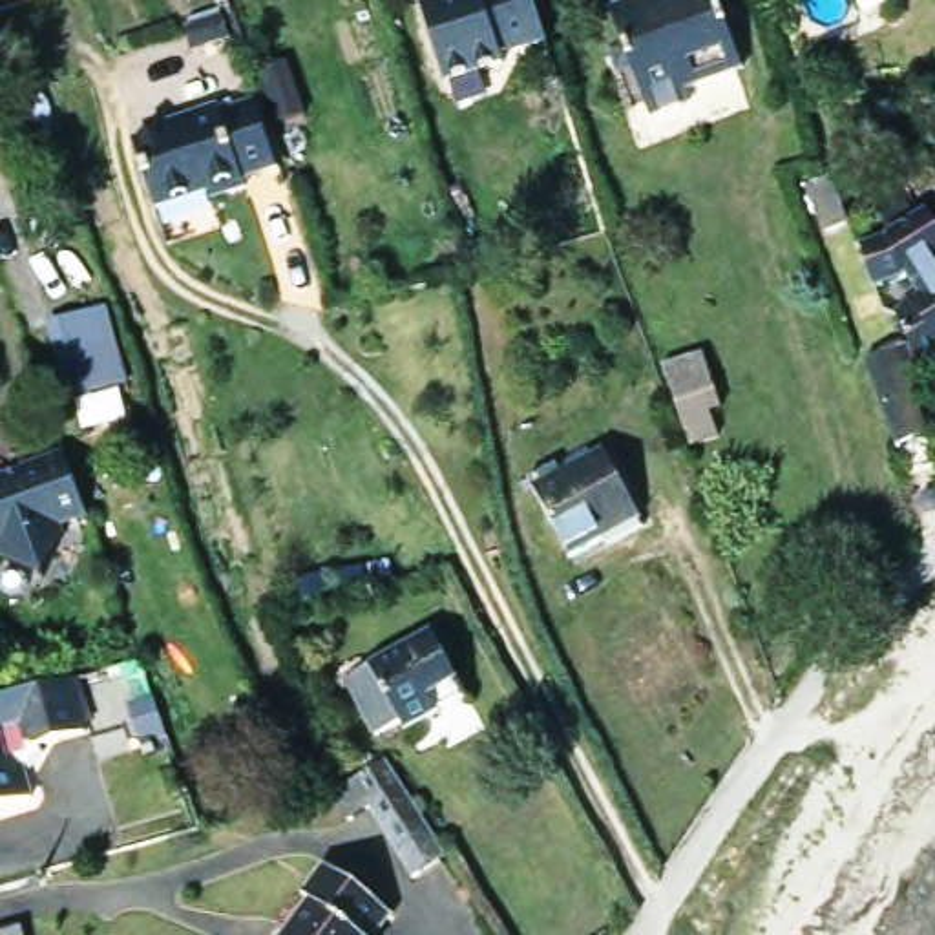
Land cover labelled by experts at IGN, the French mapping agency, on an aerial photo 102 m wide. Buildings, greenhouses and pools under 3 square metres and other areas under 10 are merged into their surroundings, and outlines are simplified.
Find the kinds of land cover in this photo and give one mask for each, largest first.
<instances>
[{"label":"herbaceous vegetation","instance_id":"1","mask_svg":"<svg viewBox=\"0 0 935 935\"><path fill-rule=\"evenodd\" d=\"M205 4H234L241 22L259 26L263 11L278 7L281 44L292 51L310 88L303 131V164H310L321 175V190L340 234V263L351 274V285H362L373 274V267L362 259L369 248L358 234L362 208L383 212L387 241L402 256V263H424L457 248L460 230L453 226V208H460L464 215H500L519 179L544 168L559 153H573L581 179V208L592 215L595 226H606V212L588 164V146L566 102L562 80L552 77L544 80V88L533 91L515 69L504 91L493 95L471 110H457L442 95L435 99L438 124L453 168L471 183V197L464 190L446 186L435 172L427 128L409 84V66L398 47V29H413V0H0V47L15 37L29 40L37 73L51 84L33 102L37 117L22 124V135L29 139V146L47 150L55 157L51 183L55 194L69 201H95L99 190H106L110 183L102 110L84 66L69 55V47L77 40H88L99 51L117 47L121 55H128L131 47L179 40L175 26L183 18L190 22L194 7ZM738 55L734 69L745 91V110L723 121H705L672 139L639 146L628 124V110L617 99L614 73L603 66V55H610L617 66H632V55L621 51L625 29L610 18L603 26V40L581 47L588 69V106L599 121L606 157L628 194V205H639L654 194H672L690 212L694 226L690 252L676 259L665 274L636 270L628 278L636 289V307L646 318L650 332L657 336V343H668L672 351L679 347V354L701 351L709 380L716 387V442H694L690 453L709 460L723 457L734 464H763L767 489H778L774 508L789 519L811 511L833 489L880 493L891 482V464L884 453L888 442V416L877 402V387L869 380L866 362L844 340H822V332L814 329V314L829 307V299L822 289L807 285L811 252L807 241L782 215V186L774 179V161L800 150V131L793 106L771 110L760 99L771 77L767 58L752 47V18L745 0H720ZM869 77H898L909 69L913 58L935 51V0H884L880 29L862 33L855 40ZM215 219L208 234H197L168 248L172 259L205 285H215L252 303L259 299V278L274 270L270 248L256 205L234 194H208ZM62 267H66V274H69V278H73V281L80 285V292H84V296H95V292H102V278H99V274H88V270H84V263L77 259V256H73V252H62ZM37 332L15 296V285L0 274V365L7 362V373L15 376L22 373L26 358L22 340ZM321 325L416 420L471 530L497 533L500 555L493 570L500 588L511 595L519 617L526 621L533 614V599L515 555L500 497L497 457L486 431L482 387L471 380L464 362V332L449 303V289L413 281L405 299L387 303L373 321H362V310H343V303L321 299ZM486 373L493 380L500 435L515 482L526 471H537V460L544 453L599 438L632 493L636 519H639L650 515V508L687 511V457L665 449V442L646 427L650 398L661 387L654 376H643L628 387L617 369L606 373L592 362V354H581L577 380L562 394H537L530 380L511 373L508 321L493 307L489 292L475 285ZM164 314L172 325L190 332L197 354V373L205 383V435H212L223 449L234 508L248 533V552H234L219 581L234 599L237 621L245 625L259 617V599L270 592L274 566L296 581L299 595L318 599L325 588L358 581L398 584L405 581V562H416L431 552H453L438 511L431 508L424 486L409 468L402 442L376 420V413L358 398L351 383H343L321 362L318 351L299 347L259 325L226 321L168 292L161 296ZM270 402L292 405V427L278 442H237L230 416H241L245 409H267ZM84 515V555L66 581L33 592H0V599L26 625L47 617H66L77 625L110 617L113 566H106L95 552V537L106 533L117 544H128L135 562V628L146 636V654H168L161 690L153 694L164 730L172 756L121 752L106 760V785L117 825L110 836H84L73 858V869L80 877H146L168 866H194L237 840L270 833L263 814H245L234 825H212L194 814L186 793L197 789V778L186 763L183 741L197 734L205 716H223L241 701L256 727L267 730L274 723L281 730V749L292 760L314 763L340 796L347 793L351 778L329 752V745L314 738L303 698L281 679L278 668H263L248 679L241 654L234 650L219 621L215 599L197 592L201 570L194 548L183 544L175 530V478L153 468L131 489L117 482L102 486L95 478V489L80 497ZM526 552L533 559L555 625L581 668L584 690L606 720L610 734L617 738L625 767L661 833V844L672 855L701 818L730 763L749 745V727L734 694L723 683L712 639L701 628L687 581L679 573H668L661 559L632 562V555L621 544L577 562L566 555L555 533L544 526L537 504L519 511ZM464 610V595L457 581H446V588L424 595H398L394 606L373 614H354L347 621L343 661H362L365 650H373L380 639L424 617L449 657L453 679L482 720H493L497 727L522 723V730L533 741L552 749L555 767L573 756L577 745L573 709L562 701L555 687V679L566 668L559 665L541 628L530 636L544 665V679L526 676L511 687L504 668L497 665L493 643H471L468 625L457 617ZM895 676V657L888 654L880 661L855 665L844 672H822V698L814 712L829 723H844L855 712H862L880 690H888ZM752 683L771 709H782L789 698L771 683L782 672L778 661L760 665L756 657H745ZM427 734V727H405L376 741L394 749L413 771V807L427 814L431 833L442 840L438 866L446 880L457 888V895L464 902L471 898L478 935H592L606 924L625 888L614 866L606 862L588 818L573 807L566 778L559 774L555 782H544L541 793H533L519 811H511L504 804H493L478 789L482 760L464 741L420 749L416 741ZM836 760L833 741H814L793 752H785L760 782V789L749 796V804L720 840L712 862L701 869L679 913L672 917L668 935H756V924L745 920V913H752L763 898V880L774 862L778 840L800 814V804L818 771H825ZM321 858H267L205 884V895L190 902L201 913L263 917L285 928L307 902V880L318 873ZM0 935H194L190 928L172 924L150 909H124L110 920H99L95 913L58 909L40 913L33 920L29 909H0Z\"/></svg>","mask_w":935,"mask_h":935},{"label":"brushwood","instance_id":"2","mask_svg":"<svg viewBox=\"0 0 935 935\"><path fill-rule=\"evenodd\" d=\"M544 40L522 55L515 69L533 91L544 88V80L552 77L562 80L566 102L588 146V164L606 212V226H595L592 215L581 208V179L573 153H559L544 168L519 179L500 215H464L460 208H453V226L460 230L457 248L424 263H402V256L387 241L383 212L362 208L358 234L369 248L362 259L373 267V274L362 285H351V274L340 263V234L321 190V175L310 164H303L289 183L299 205L310 259L318 263L321 299L343 303V310H362V321H373L387 303L405 299L413 281L449 289V303L464 332V362L471 380L482 387L486 431L497 457L500 497L515 555L533 599V614L526 621L530 636L541 628L559 665L566 668L555 679V687L562 701L573 709L577 745L592 749V760L603 782L610 785V796L621 807L643 858L654 877H661L672 855L661 844V833L625 767L617 738L610 734L606 720L584 690L581 668L555 625L533 559L526 552L519 511L515 482L500 435L493 380L486 373L475 285L489 292L493 307L508 321L511 373L530 380L537 394H562L577 380L581 354H592V362L606 373L617 369L628 387L643 376H654L661 387L650 398L646 427L665 442V449L687 457L690 453L694 442L679 424L661 369L665 358L679 354V347L672 351L668 343H657V336L650 332L646 318L636 307V289L628 278L636 270L665 274L676 259L690 252L694 226L690 212L672 194H654L639 205H628V194L606 157L599 121L588 106V69L581 47L603 40V26L610 18L595 15L592 0H533ZM752 18V47L767 58L771 77L760 99L771 110L793 106L800 131V150L774 161V179L782 186V215L807 241L811 252L807 285L822 289L829 299V307L814 314V329L822 332V340H844L866 362V358L851 299L833 267L822 226L804 205V179L818 175V168L825 164V131H836V117L862 95L855 91L836 58H804V44L811 37L800 26L807 0H745ZM292 51L281 44L278 7L263 11L259 26L241 22V37L226 47L230 66L241 77V88L256 91L259 69L270 58H285ZM398 47L409 66V84L427 128L435 172L446 186L464 190L471 197V183L453 168L438 124L435 99L442 95L431 80L424 73L413 29H398ZM73 212L55 223H44L33 212L18 208L7 215L15 248H29L44 259L62 256V252H73V256H77V259L84 263V270H88V274H99V278H102V292H95V296H84V292H80L73 299H58V314L106 307L124 369L121 391L124 416L113 424L121 427V435L142 446V457L153 468L175 478V530L183 544L194 548L201 570L197 592L215 599L219 621L234 650L241 654L248 679L263 668L245 625L237 621L234 599L219 581L234 552L230 541H208L201 530L179 449L183 435L175 427V387L146 343L142 303L124 289L113 267L110 241L95 215V201H69ZM237 442H278L292 427V405L270 402L267 409H245L241 416H230ZM884 453L891 464V482L880 493L891 497L906 522L920 526L913 464L902 446L888 442ZM95 552L106 566H113L110 617L121 632L135 628V562L128 544H117L106 533L95 537ZM446 581H457L464 595V610L457 617L468 625L471 643H493L497 665L504 668L511 687L526 676L508 654L504 636L489 621L460 555L453 552H431L416 562H405V581L398 584L358 581L325 588L318 599L299 595L296 581L274 566L270 592L259 599V617L278 654V668L281 679L303 698L314 738L329 745V752L351 778L358 771H373L362 752L373 741V734L365 730L347 687H340L343 661L347 621L354 614H373L394 606L398 595H424L446 588ZM559 774L566 778L573 807L588 818L606 862L614 866L625 888L606 924L592 935H625L643 909V891L632 869L599 807L592 804L573 767V756L555 767Z\"/></svg>","mask_w":935,"mask_h":935},{"label":"building","instance_id":"3","mask_svg":"<svg viewBox=\"0 0 935 935\"><path fill-rule=\"evenodd\" d=\"M438 58L453 69L449 77L431 80L442 95L457 110H471L493 95L471 66L478 58L504 55L508 44L522 55L544 40L533 0H424ZM595 15L610 18L625 29L621 51L632 55V66H617L610 55H603V66L614 73L617 99L628 110L646 102L650 110H657L690 99L698 77L734 69L738 55L720 0H592ZM179 40H219L226 47L241 37V22L234 4H205L194 7L190 22L183 18L175 26ZM310 88L292 51L285 58H270L259 69L256 91L241 88L201 95L190 102H161L157 113L142 121V128L135 131V150L150 161V194L164 201L179 186L208 194H234L248 179V172L274 164L289 153L285 131H303ZM804 205L822 226L844 219V205L833 183L818 175L804 179ZM880 219L858 241L866 274L877 285L880 303L895 310V329L884 332L866 358V362L869 380L877 387V402L888 416V442L902 446V435H920V405H913L906 394V365L917 362V347L935 343V194H906L902 201H880ZM47 340H40L37 332L22 340L26 358L33 365L51 369L58 387L80 398L91 391H121L124 369L106 307L58 314L44 332ZM661 369L679 424L694 442H716V387L709 380L701 351L679 354L665 358ZM95 489V478L91 446L77 435H66L62 442L26 453L18 460L0 457V573L15 570L26 577L47 570L58 555L66 522L84 515L80 497ZM537 504L544 526L555 533L566 555L573 544L599 537L603 530L625 519H636L632 493L599 438L544 453L537 460V471H526L515 482L519 511ZM438 679H453L449 657L424 617L380 639L373 650H365L362 661H343L340 687H347L365 730L373 734V741L362 752L373 771L380 789L365 796V814L387 840L394 873L427 877L438 866L442 840L431 833L427 814L413 807V771L394 749L376 741L405 727H427V709L438 698ZM91 672L69 668L0 690V796L33 789V767L18 763L11 752L26 738H37L44 730L77 727V741L91 749L102 734H128L150 741V734L164 730L153 694L146 687L131 694V712L121 723H99L95 694L88 687ZM391 906L358 873L321 858L318 873L307 880V902L285 928L281 935H394L383 920Z\"/></svg>","mask_w":935,"mask_h":935},{"label":"pervious surface","instance_id":"4","mask_svg":"<svg viewBox=\"0 0 935 935\"><path fill-rule=\"evenodd\" d=\"M413 29L424 73L431 80L449 77L453 69L438 58L424 0H413ZM69 55L84 66L102 110L110 183L106 190H99L95 201V215L110 241L113 267L124 289L142 303L146 343L175 387V427L183 435L179 449L201 530L208 541H230L234 552H248V533L234 508L223 449L212 435H205V383L197 373V354L190 332L172 325L164 314L161 296L168 292L226 321L259 325L299 347L318 351L321 362L343 383H351L358 398L376 413V420L402 442L409 468L424 486L431 508L438 511L453 552L460 555L489 621L504 636L508 654L526 676L544 679V665L530 636L526 621L519 617L511 595L500 588L493 570L500 555L497 533L471 530L416 420L321 325V299L318 263L310 259L299 205L289 183H281L274 164L248 172V179L234 194L256 205L270 248L274 270L259 278V299L252 303L215 285H205L172 259L168 248L197 234L190 223L172 226L161 219L164 201L150 194V161L135 150V131L142 128V121L157 113L161 102H190L201 95L241 88V77L230 66L226 47L219 40H179L131 47L128 55H121L117 47L99 51L88 40H77L69 47ZM18 208L15 194L0 186V274L15 285V296L37 332L40 340H47L44 332L58 314V299H73L80 292V285L73 281V278H69V274H66V267H62V256L44 259L29 248H15L7 215ZM833 267L851 299L866 358L884 332L895 329V310L880 303L877 285L866 274L858 241L844 219L822 226ZM902 446L913 464L920 526L924 573H935V468L928 457V438L920 435H902ZM632 555V562L661 559L668 573H679L687 581L701 628L712 639L723 683L734 694L749 727L771 709L752 683L745 657L741 643L730 632V610L738 606V595L730 581V562H712L687 511L650 508V515L639 519V533L628 544H621ZM888 654L895 657V676L888 690H880L862 712H855L844 723H829L814 712L800 723V730L789 734L785 745L793 752L814 741H833L836 760L825 771H818L800 804V814L778 840L774 862L763 880V898L752 913H745V920L756 924V935H800L804 924L818 920V906L833 891L844 858L855 855L858 836L869 829L877 807L891 800V782L902 774V760L917 749V738L924 730L935 727V606H924ZM263 668H278V654L259 617L245 625ZM573 767L592 804L599 807L632 869L643 858L621 807L610 796V785L603 782L592 760V749L577 745L573 756Z\"/></svg>","mask_w":935,"mask_h":935},{"label":"deciduous trees","instance_id":"5","mask_svg":"<svg viewBox=\"0 0 935 935\"><path fill-rule=\"evenodd\" d=\"M804 58H836L855 91L862 95L836 117V131H825V164L818 168V175L833 183L844 205V219L858 241L880 219V201H902L906 194H935V51L913 58L909 69L898 77H869L855 40L833 33L811 37L804 44ZM51 84L37 73L29 40L15 37L0 47V186L15 194L18 208L33 212L44 223H55L73 212L69 201L55 194L51 183L55 157L47 150L29 146V139L22 135V124L37 117L33 102ZM917 362L906 365V394L913 405H920V435L928 438V457L935 468V343L917 347ZM80 398L58 387L51 369L33 365L26 358L22 373L15 376L7 373V362L0 365V457L18 460L26 453L62 442L66 435H77L91 446L95 478L102 486L117 482L131 489L153 468L142 457V446L121 435V427L113 424L80 427ZM687 511L712 562H730V581L738 595V606L730 610V632L741 643L745 657H756L760 665L778 661L782 672L771 683L789 698L807 668L822 672H844L855 665L880 661L888 654L924 606H935V573H924L920 526L906 522L891 497L880 493L833 489L811 511L789 519L774 508L778 489H767L763 464H734L723 457L709 460L690 453L687 457ZM146 636L135 628L121 632L110 617L77 625L66 617H47L26 625L0 599V690L69 668L91 672L135 661L146 672V687L153 694L161 690L168 654H146ZM186 763L197 778V789L186 793L194 814L212 825H234L245 814H263L270 833L307 829L340 796L314 763L292 760L281 749V730L274 723L267 730L256 727L241 701L223 716H205L197 734L183 741ZM464 741L482 760L478 789L493 804H504L511 811H519L533 793H541L544 782H555L559 774L555 767L552 749L533 741L522 730V723L497 727L493 720H482V730Z\"/></svg>","mask_w":935,"mask_h":935},{"label":"impervious surface","instance_id":"6","mask_svg":"<svg viewBox=\"0 0 935 935\"><path fill-rule=\"evenodd\" d=\"M884 0H851V7L844 11V26H836L833 33L855 40L862 33L880 29ZM522 55L508 44L504 55L478 58L471 66L493 95L504 91ZM745 110V91L734 69L698 77L690 99L657 110H650L646 102L628 110V124L639 146L672 139L705 121H723ZM289 153L274 164L281 183H289L303 164V131H285ZM161 219L172 226L190 223L197 234H208L215 219L208 194L179 186L164 201ZM80 427L113 424L124 416L121 391H91L80 398ZM84 515L66 522L58 555L47 570L26 577L15 570L0 573V592H33L66 581L84 555ZM639 533V519H625L603 530L599 537L573 544L566 555L577 562L621 544H628ZM88 687L95 694L99 723H121L131 712V694L146 687V672L135 661L91 672ZM822 698V672L807 668L789 698L782 709H771L749 727V745L730 763L701 818L672 855L661 877H654L643 858L632 869L643 891V909L625 935H668L672 917L679 913L701 869L712 862L720 840L749 804V796L760 789V782L785 752H793L785 745L789 734L800 730V723L814 712ZM482 730V720L453 679H438V698L427 709V734L416 741L420 749L464 741ZM77 727L44 730L37 738H26L11 752L18 763L33 767V789L0 796V909H29L33 920L40 913L58 909L95 913L99 920H110L124 909H150L172 924L190 928L194 935H281L285 928L263 917L201 913L190 902L205 895V884L267 858H321L358 873L391 906L383 920L394 935H478L471 898L464 902L457 895V888L446 880L438 866L427 877L394 873L387 840L365 814V796L380 789L373 771H358L351 778L347 793L340 796L307 829L270 833L237 840L194 866H168L146 877H80L73 869V858L84 836H110L117 825L106 785V760L121 752L172 756L164 730L150 734V741L128 734H102L91 749L77 741Z\"/></svg>","mask_w":935,"mask_h":935},{"label":"bare soil","instance_id":"7","mask_svg":"<svg viewBox=\"0 0 935 935\"><path fill-rule=\"evenodd\" d=\"M800 935H935V727L924 730L917 738V749L902 760V774L891 782V800L877 807L869 829L858 836L855 855L844 858L833 891L818 906V920L804 924Z\"/></svg>","mask_w":935,"mask_h":935},{"label":"swimming pool","instance_id":"8","mask_svg":"<svg viewBox=\"0 0 935 935\"><path fill-rule=\"evenodd\" d=\"M851 7V0H807L800 26L811 37L833 33L836 26H844V11Z\"/></svg>","mask_w":935,"mask_h":935}]
</instances>
